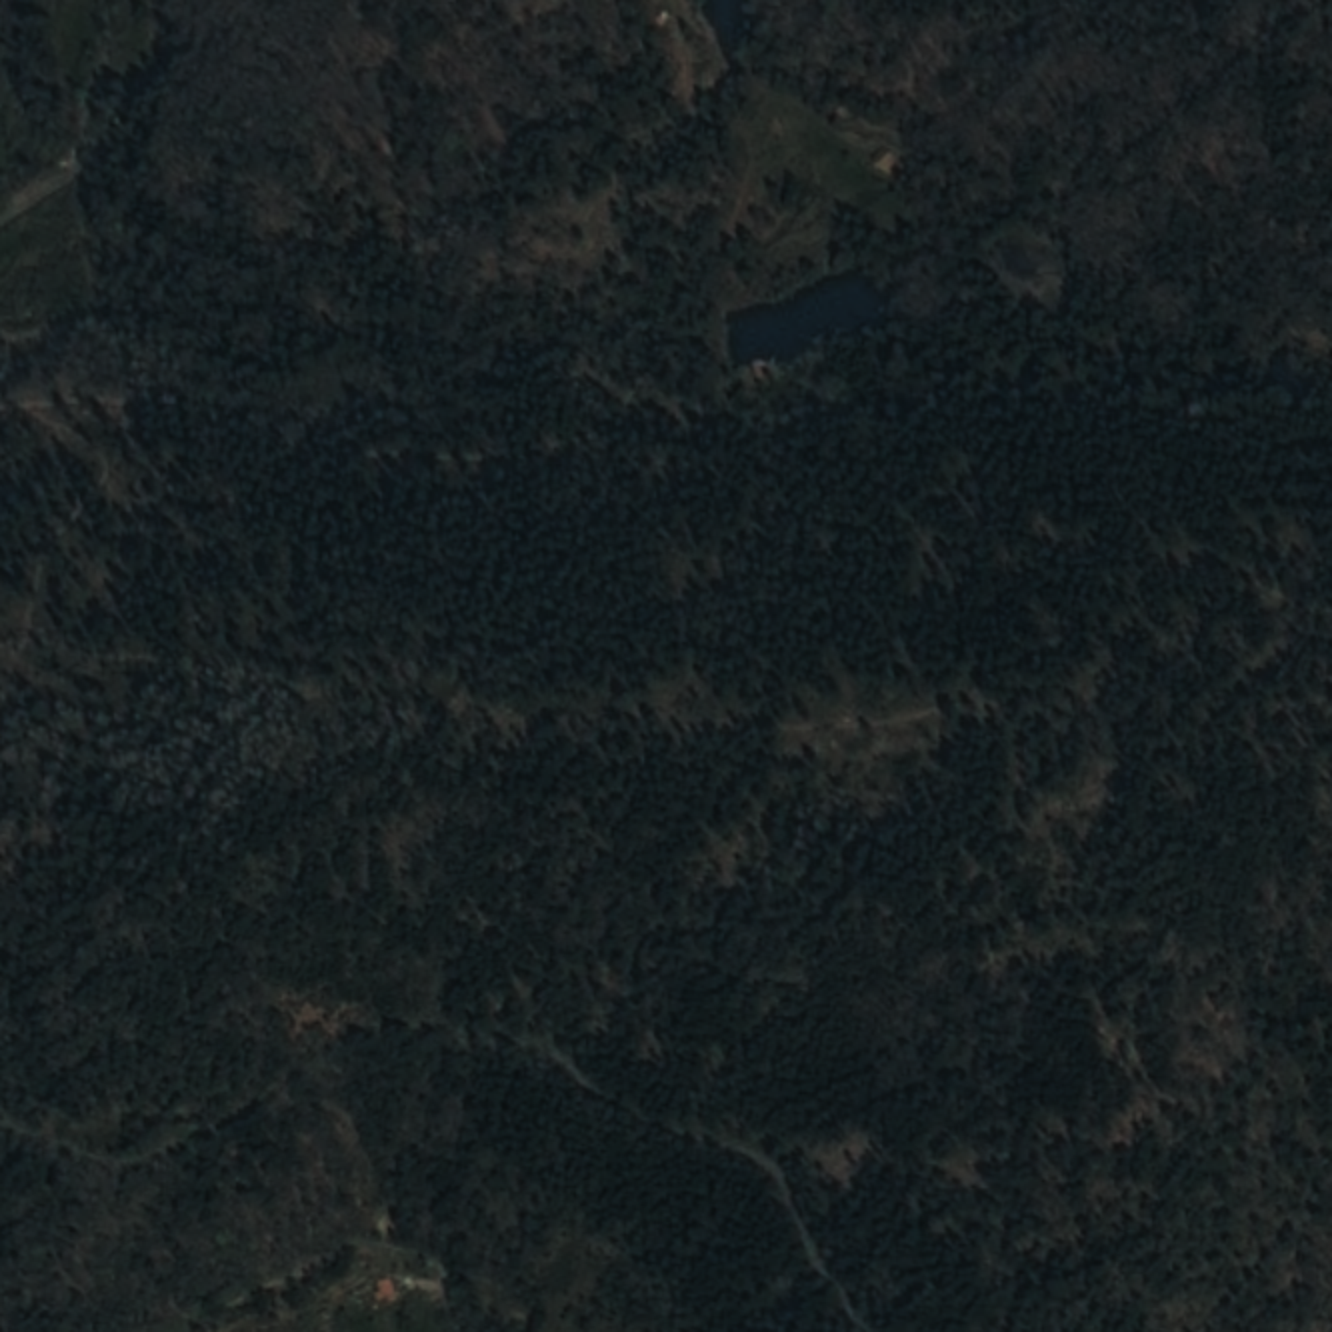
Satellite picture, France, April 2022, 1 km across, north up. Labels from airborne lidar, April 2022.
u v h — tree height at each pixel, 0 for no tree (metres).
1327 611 20
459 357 18
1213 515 26
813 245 0
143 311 15
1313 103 13
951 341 16
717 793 24
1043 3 16
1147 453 24
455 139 27
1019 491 23
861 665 23
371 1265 7
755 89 15
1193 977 23
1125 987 12
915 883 18
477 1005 26
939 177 15
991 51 8
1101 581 26
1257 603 20
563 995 21
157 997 23
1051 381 26
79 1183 24
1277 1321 29
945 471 24
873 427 26
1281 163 22
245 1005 24
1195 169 16
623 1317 8
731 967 16
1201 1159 22
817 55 18
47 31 25
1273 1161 27
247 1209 29
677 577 26
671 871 20
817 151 0
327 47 34
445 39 24
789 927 16
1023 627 17
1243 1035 21
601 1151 26
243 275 21
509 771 22
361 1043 29
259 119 27
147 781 14
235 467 24
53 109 22
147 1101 29
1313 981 17
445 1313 8
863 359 17
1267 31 13
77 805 17
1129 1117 20
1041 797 24
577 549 22
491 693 27
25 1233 24
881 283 13
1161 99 16
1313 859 18
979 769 23
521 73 14
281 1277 27
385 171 19
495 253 25
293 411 12
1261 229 20
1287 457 28
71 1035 8
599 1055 22
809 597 28
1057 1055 15
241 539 23
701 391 24
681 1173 25
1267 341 21
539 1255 16
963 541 29
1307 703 25
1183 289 17
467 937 27
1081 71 18
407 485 26
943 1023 22
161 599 24
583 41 12
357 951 14
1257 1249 11
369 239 13
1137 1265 13
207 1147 27
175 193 24
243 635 22
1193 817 18
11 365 22
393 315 26
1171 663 19
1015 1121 18
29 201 0
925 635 26
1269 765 20
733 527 25
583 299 13
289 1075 24
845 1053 24
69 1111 26
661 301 20
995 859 24
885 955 24
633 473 25
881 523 19
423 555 24
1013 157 17
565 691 21
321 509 30
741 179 9
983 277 23
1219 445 27
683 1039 21
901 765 9
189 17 25
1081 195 17
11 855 14
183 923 17
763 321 0
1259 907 18
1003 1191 18
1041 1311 23
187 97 27
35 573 26
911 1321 22
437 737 14
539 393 22
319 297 25
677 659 28
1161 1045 18
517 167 25
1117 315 20
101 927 12
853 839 19
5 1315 26
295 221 25
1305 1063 31
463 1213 26
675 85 8
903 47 8
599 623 24
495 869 17
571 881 21
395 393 20
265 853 19
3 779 11
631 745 24
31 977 19
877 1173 19
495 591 23
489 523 25
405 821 11
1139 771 23
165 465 26
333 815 19
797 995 19
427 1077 28
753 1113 23
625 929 29
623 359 20
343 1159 26
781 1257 28
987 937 23
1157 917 16
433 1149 30
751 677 26
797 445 24
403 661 22
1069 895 9
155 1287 25
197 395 22
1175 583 29
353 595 23
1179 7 21
